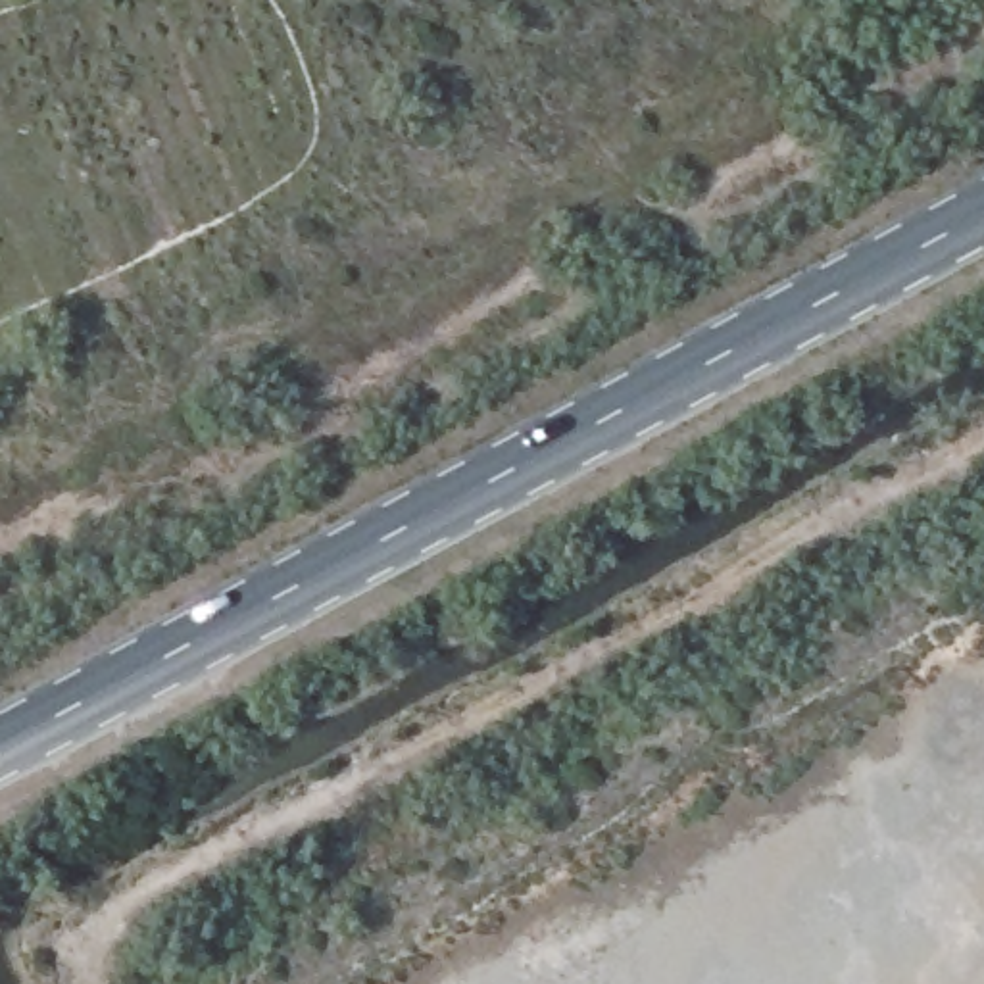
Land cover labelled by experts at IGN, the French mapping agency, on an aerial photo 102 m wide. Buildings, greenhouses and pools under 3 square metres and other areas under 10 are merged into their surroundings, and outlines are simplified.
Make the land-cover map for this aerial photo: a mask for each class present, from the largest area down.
<instances>
[{"label":"herbaceous vegetation","instance_id":"1","mask_svg":"<svg viewBox=\"0 0 984 984\"><path fill-rule=\"evenodd\" d=\"M800 0H0V354L12 361L23 350V338L35 334L31 327H23L27 315L46 311L50 304L69 315L65 384L54 392L58 411L42 415L35 431H0V527L8 519L27 515L58 492L119 496L123 504L135 492H146L150 504L200 511L204 492L196 477H185L181 469L204 454L181 404L192 369H215L219 357L250 361L258 346L284 342L300 361H311L331 381L346 365H361L381 350H392L396 342L427 334L446 315L473 304L480 292L507 284L523 269L527 227L534 211L561 208L569 215L573 204H596L603 211L619 204H638V177L657 161L673 165L680 154L703 158L715 173L726 161L746 158L757 146L784 135V127L773 123L765 111V96L753 92V77L742 69V38L726 27L765 23L769 15L773 23H784ZM284 27H296V38L308 54L315 81H323L327 73L342 77V85L331 96H319V150L304 146L311 111L300 69L281 35ZM419 65V100L434 108L419 115L423 146H404V138L373 115L369 85L392 81L404 69ZM284 169L292 173L288 188L269 196L261 208L238 215L234 223L138 265L123 277V296L100 300L92 292H69V284H77L81 277L127 261L154 238L227 211L231 204L246 200L258 185L281 177ZM984 65V31L969 50L934 54L907 69H888L873 81V88L903 92L915 104V96L934 77L976 81ZM984 181V150H957L942 169L926 173L915 188H896L873 208H865L857 219L807 234L796 246V254H776L769 269L742 273L738 281L696 296L688 308L669 311L657 323H646L638 334L588 357L580 369H561L546 381H534L504 407L480 411L473 427H457L434 438L415 457L384 469H361L350 480V488L319 511L277 519L261 534L219 554L211 565H200L196 573L142 600H127L119 611L104 615L85 638L65 642L35 669L0 680V703L8 711L23 707L35 688L62 684L85 669V661L135 646L146 627L192 619L196 603H211V611H219L254 569L281 565L304 550L308 538L342 534L369 507H392L407 500L415 484L457 473L465 454L480 446L542 442L550 419L569 415L577 396L619 384L634 365L677 354L688 334L730 323L742 308L788 292L796 277L811 269L838 265L853 242L888 238L911 211L942 208L965 185ZM800 181L792 161L753 173L750 181L726 192L734 215L761 211ZM984 284V246L961 254L942 273L903 284L896 300L869 304L853 311L842 327L803 338L788 357L753 365L750 373H742L738 384L723 392H703L680 415L642 427L627 446L600 450L584 457L573 473L534 484L519 504L484 511L465 530L434 538L415 557L388 565L365 577V584L315 603L304 619L265 630L254 646L215 657L200 677L158 688L142 707L119 711L104 719L92 734L46 750L42 761L0 773V815H27V807L38 803L54 784L73 780L77 773L108 761L111 753H123L138 738L161 734L173 719L192 715L196 707L219 696H234L242 684H254L269 665L315 650L323 642L357 634L361 627L381 623L392 611L431 596L442 580L480 569L492 557L515 554L530 538L534 523L557 519L573 507L596 504L607 492H619L627 480L669 465L684 446L738 419L746 407L784 396L826 369L857 361L869 346L899 338L903 331L926 323L938 308ZM849 480L834 469L807 480L792 500L776 504L773 511L792 527L819 504L838 500ZM738 554L734 530L715 538L707 550L673 561L650 580L611 596L607 603L611 615L634 611L638 619L711 584V577H719ZM942 596L923 584L903 603H892L888 619L873 630L853 634L842 627V619H830L834 653L826 677L807 688H776L773 700L757 703L750 723L730 730L734 746H726L703 723H696L692 711H677L657 734L619 738L615 753L623 765L600 788L577 796V823L546 830L534 819V811L519 796H511L496 830H480L473 842H457V857H469L473 869L465 880H438L427 873L400 876L388 896L392 923L377 934L361 926L354 911L331 907L323 923L327 949L296 946L288 961L292 976L269 984H438L450 972L500 957L511 942L523 938L530 923H546L569 907H596L600 915H615L623 907L665 911L688 880L692 865H700L711 853H723L738 834H773L788 823V815L819 807L823 788L849 773L857 753L873 761L896 757L903 746V688L938 684L942 665L919 677L923 657L930 650L949 646L969 623V615H930V603H938ZM523 677L500 669L469 673L392 711L384 723L369 726L361 738L350 742L354 750L361 757H381L434 726L438 719L461 715L488 692L519 688ZM181 853L154 846L131 857L123 865L119 892L135 888L150 869L173 865ZM88 911L85 903L65 899L54 873L46 869L35 873V892L27 896L23 926L0 938V984H73V969L58 961L54 946L62 930L85 926Z\"/></svg>","mask_w":984,"mask_h":984},{"label":"brushwood","instance_id":"2","mask_svg":"<svg viewBox=\"0 0 984 984\"><path fill-rule=\"evenodd\" d=\"M742 38V69L753 77V92L765 96V111L773 123L784 127V135L800 146H815L826 161L823 169H830V181L823 185L800 181L761 211L734 215L707 223L696 234L684 219L665 215L669 204H696L711 188L715 173L703 158L680 154L673 165L657 161L638 177V204H619L603 211L596 204H573L569 215L561 208L534 211L527 227L523 269L538 273L534 292L492 311L457 342L411 361L396 373L392 384L365 388L361 396H327L331 381L311 361H300L284 342L258 346L250 361L219 357L215 369H192L181 404L204 454L219 446L258 450L261 442H273L277 431H315L331 411H361L369 427L354 438H319L304 454L265 465L258 477L242 484L238 496H227L215 477H196L204 492L200 511L150 504L146 492H135L123 504L108 515H81L73 538L38 534L12 554L0 550V680L35 669L65 642L85 638L104 615L119 611L127 600H142L196 573L200 565H211L219 554L261 534L277 519L319 511L350 488V480L361 469H384L415 457L434 438L457 427H473L480 411L504 407L534 381H546L561 369H580L588 357L638 334L646 323H657L669 311L688 308L696 296L738 281L742 273L769 269L776 254H796V246L807 234L857 219L865 208H873L896 188H915L926 173L942 169L957 150H984V65L976 81L934 77L915 96V104L903 92L873 88V81L888 69H907L934 54L969 50L984 31V0H800L784 23H773L769 15L765 23L726 27ZM573 288L588 292V308L561 334L527 346L507 342V331H519L523 323L550 315L557 304H565ZM957 357L984 365V284L938 308L926 323L903 331L899 338L869 346L857 361L826 369L784 396L746 407L738 419L684 446L669 465L627 480L619 492H607L596 504L573 507L557 519L534 523L530 538L515 554L492 557L480 569L442 580L431 596L392 611L381 623L361 627L357 634L323 642L315 650L269 665L254 684H242L234 696H219L196 707L192 715L173 719L161 734L138 738L123 753H111L108 761L77 773L73 780L54 784L38 803L27 807V815H0V938L23 926L27 896L35 892V873L46 869L54 873L65 899L85 903L88 911H96L119 892L123 865L131 857L154 846L181 853L219 838L231 823H238L250 811L277 807L281 800H300L315 780L346 773L354 750L350 742L227 803L219 800L231 792L227 769L242 757V746L261 753L273 734L292 738L296 726L315 730L323 715L331 719L357 711L365 700L392 692L404 680L407 657L434 653L442 642L465 650L469 673L500 669L523 677L546 669L550 657H565L569 650L638 619L634 611L611 615L607 603L523 646L515 657H504L492 646V630L515 600H550L561 588L580 584L584 557L600 569H611L615 550L627 534L650 538L673 530L680 523L684 504H700L707 511L726 507L730 500H738V488H746L750 465L769 461L765 488H776L780 473L800 469L815 446H838L842 434L857 431L861 388H899L915 419L896 434L869 442L861 454L834 469L849 480L896 477L911 454L949 446L984 423V392L949 396L946 377L953 373ZM23 327H31L35 334L23 338V350L12 361L0 354V431H35L42 415L58 411L54 392L65 384L69 315L50 304L46 311L27 315ZM923 584L942 596L938 603H930V615H969V623H976L972 653L984 661V454L969 465L965 477L919 488L888 504L880 519L861 523L849 534H826L811 546H800L780 565L765 569L730 603L707 615H692L669 630H657L634 650H623L603 665L577 673L569 684H557L523 711H511L488 730L450 742L438 757L411 765L396 784H365L338 819H319L292 830L288 838H269L265 846H254L234 861H223L219 869L161 892L131 915L127 934L111 946L108 984H269L292 976L288 961L296 946L327 949L323 923L331 907L354 911L361 926L377 934L392 923L388 896L400 876L427 873L438 880H465L473 869L469 857H457V842H473L480 830H496L511 796H519L534 811V819L546 830L577 823V796L600 788L623 765L615 753L619 738L657 734L677 711H692L696 723H703L726 746H734L730 730L750 723L757 703L773 700L776 688H807L826 677L834 653L830 619H842V627L853 634L873 630L888 619L892 603H903Z\"/></svg>","mask_w":984,"mask_h":984},{"label":"pervious surface","instance_id":"3","mask_svg":"<svg viewBox=\"0 0 984 984\"><path fill-rule=\"evenodd\" d=\"M281 35L300 69L311 111L304 146L319 150V96H331L342 85V77L327 73L323 81H315L308 54L296 38V27H284ZM792 161L800 181L823 185L830 181V169H823L826 161L815 146H800L784 135L757 146L746 158L726 161L715 173L711 188L696 204H669L665 215L684 219L696 234L707 223L734 215L726 192L750 181L753 173ZM292 173L284 169L281 177L258 185L246 200L231 204L227 211L154 238L127 261L81 277L77 284H69V292H92L100 300L123 296V277L138 265L234 223L238 215L261 208L269 196L288 188ZM538 273L523 269L507 284L480 292L473 304L446 315L427 334L396 342L392 350H381L361 365H346L331 381L327 396H361L365 388L392 384L396 373L411 361L457 342L492 311L534 292ZM588 308V292L573 288L565 304H557L550 315L523 323L519 331H507V342L527 346L561 334ZM369 427L361 411H331L315 431H277L273 442H261L258 450L219 446L204 454L181 469L185 477H215L227 496H238L242 484L258 477L265 465L304 454L319 438H354ZM984 454V423L949 446L911 454L896 477L849 480L838 500L819 504L792 527L773 511L734 530L738 554L719 577H711V584L638 619L569 650L565 657H550L546 669L523 677L519 688L488 692L461 715L438 719L434 726L381 757H361L354 750L346 773L315 780L300 800H281L277 807L250 811L238 823H231L219 838L181 853L173 865L150 869L135 888L119 892L96 911H88L85 926L62 930L54 946L58 961L73 969V984H108L111 946L127 934L131 915L161 892L219 869L223 861H234L254 846H265L269 838H288L292 830L319 819H338L365 784H396L411 765L438 757L450 742L488 730L511 711H523L557 684H569L577 673L603 665L623 650H634L657 630H669L692 615H707L730 603L765 569L780 565L800 546H811L826 534H849L861 523L880 519L888 504L919 488L965 477L969 465ZM123 504L119 496L58 492L27 515L8 519L0 527V550L12 554L38 534L73 538L81 515H108ZM976 623H969L949 646L930 650L923 657L919 677L942 665L938 684L903 688V746L896 757L873 761L857 753L849 773L823 788L819 807L788 815V823L773 834H738L723 853H711L700 865H692L688 880L665 911L623 907L615 915H600L596 907H569L546 923H530L523 938L511 942L500 957L450 972L438 984H984V661L972 653Z\"/></svg>","mask_w":984,"mask_h":984},{"label":"impervious surface","instance_id":"4","mask_svg":"<svg viewBox=\"0 0 984 984\"><path fill-rule=\"evenodd\" d=\"M984 246V181L965 185L942 208L911 211L888 238L853 242L838 265L811 269L796 277L788 292L742 308L730 323L688 334L677 354L634 365L619 384L577 396L569 415L550 419L542 442L480 446L465 454L457 473L415 484L407 500L392 507H369L342 534L308 538L304 550L281 565L254 569L219 611H211V603H196L192 619L146 627L135 646L85 661V669L62 684L35 688L23 707L8 711L0 703V773L42 761L46 750L92 734L104 719L119 711L142 707L158 688L200 677L215 657L254 646L265 630L304 619L315 603L365 584V577L388 565L415 557L434 538L465 530L484 511L519 504L534 484L573 473L584 457L600 450L627 446L642 427L680 415L703 392H723L738 384L742 373H750L753 365L788 357L803 338L842 327L853 311L869 304L896 300L903 284L942 273L961 254Z\"/></svg>","mask_w":984,"mask_h":984},{"label":"water","instance_id":"5","mask_svg":"<svg viewBox=\"0 0 984 984\"><path fill-rule=\"evenodd\" d=\"M949 396L984 392V365L957 357L953 373L946 377ZM915 419L899 388H861L857 431L842 434L838 446H815L800 469L780 473L776 488H765L769 461L750 465L746 488H738V500H730L726 507L707 511L700 504H684L680 523L673 530L650 538L627 534L615 550L611 569H600L584 557L580 584L561 588L550 600H515L492 630V646L504 657H515L523 646L607 603L611 596L650 580L673 561L707 550L715 538L734 530L773 511L776 504L792 500L807 480L834 469L861 454L869 442L896 434ZM469 673L465 650L442 642L434 653L407 657L404 680L392 692L365 700L357 711L331 719L323 715L315 730L296 726L292 738L273 734L261 753L242 746V757L227 769L231 792L219 800L227 803L350 742L361 738L369 726L384 723L392 711Z\"/></svg>","mask_w":984,"mask_h":984},{"label":"deciduous trees","instance_id":"6","mask_svg":"<svg viewBox=\"0 0 984 984\"><path fill-rule=\"evenodd\" d=\"M419 65L404 69L392 81L369 85L373 115L404 138V146H423L419 115L434 108L419 100Z\"/></svg>","mask_w":984,"mask_h":984}]
</instances>
